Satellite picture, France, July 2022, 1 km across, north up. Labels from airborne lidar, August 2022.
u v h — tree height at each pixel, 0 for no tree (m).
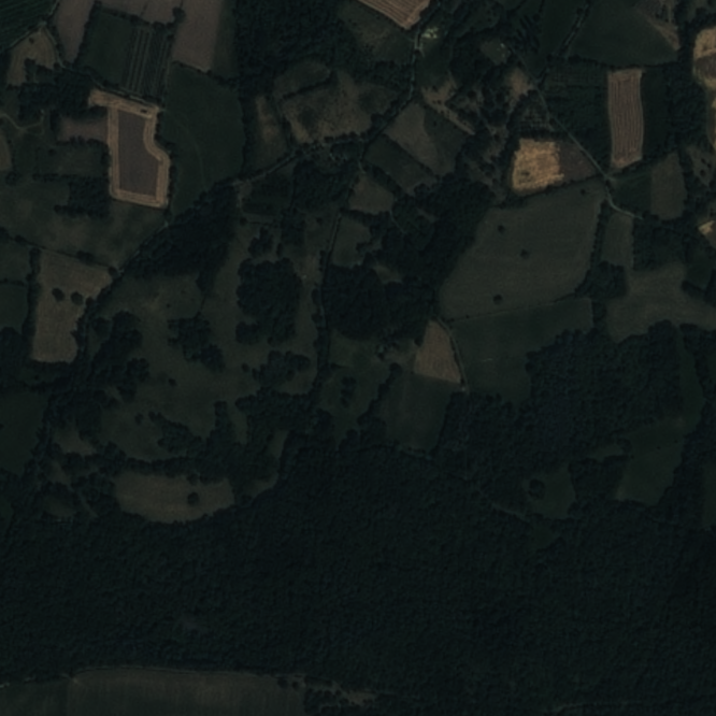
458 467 15
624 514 20
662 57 0
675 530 15
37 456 16
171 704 0
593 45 0
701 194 9
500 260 0
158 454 0
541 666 8
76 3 0
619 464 15
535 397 15
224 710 0
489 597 15
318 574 17
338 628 19
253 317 11
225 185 6
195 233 20
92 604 17
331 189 13
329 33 14
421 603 12
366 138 12
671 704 16
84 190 6
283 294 18
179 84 0
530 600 17
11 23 7
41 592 20
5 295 0
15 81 0
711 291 15
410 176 0
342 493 17
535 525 11
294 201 9
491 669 6
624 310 0
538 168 0
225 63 0
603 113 9
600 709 11
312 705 7
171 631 14
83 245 0
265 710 0
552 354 15
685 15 13
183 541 20
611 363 11
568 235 0
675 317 0
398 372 14
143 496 0
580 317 0
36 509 25
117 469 14
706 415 18
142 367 9
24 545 16
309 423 22
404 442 0
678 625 14
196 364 7
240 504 11
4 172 0
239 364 0
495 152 0
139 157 0
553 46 0
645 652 17
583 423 11
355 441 18
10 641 13
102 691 0
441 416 0
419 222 12
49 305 0
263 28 13
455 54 9
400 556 20
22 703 0
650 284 0
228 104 0
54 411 16
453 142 0
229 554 20
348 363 0
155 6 0
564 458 15
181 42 0
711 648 10
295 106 0
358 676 7
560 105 10
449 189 17
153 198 0
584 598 15
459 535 15
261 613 15
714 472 0
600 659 11
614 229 0
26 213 0
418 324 17
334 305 16
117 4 0
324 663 12
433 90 8
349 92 0
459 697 9
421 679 12
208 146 0
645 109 0
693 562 14
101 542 13
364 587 18
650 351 12
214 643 14
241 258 0
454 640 13
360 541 18
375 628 7
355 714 10
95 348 0
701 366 12
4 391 17
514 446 15
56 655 10
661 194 0
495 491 18
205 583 13
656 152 7
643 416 8
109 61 0
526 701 9
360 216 15
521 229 0
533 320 0
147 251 12
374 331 16
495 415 10
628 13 0
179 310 0
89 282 0
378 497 19
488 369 0
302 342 0
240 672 7
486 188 12
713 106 0
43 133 0
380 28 0
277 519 15
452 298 0
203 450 5
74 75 7
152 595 21
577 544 16
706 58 0
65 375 12
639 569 18
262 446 9
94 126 0
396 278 0
